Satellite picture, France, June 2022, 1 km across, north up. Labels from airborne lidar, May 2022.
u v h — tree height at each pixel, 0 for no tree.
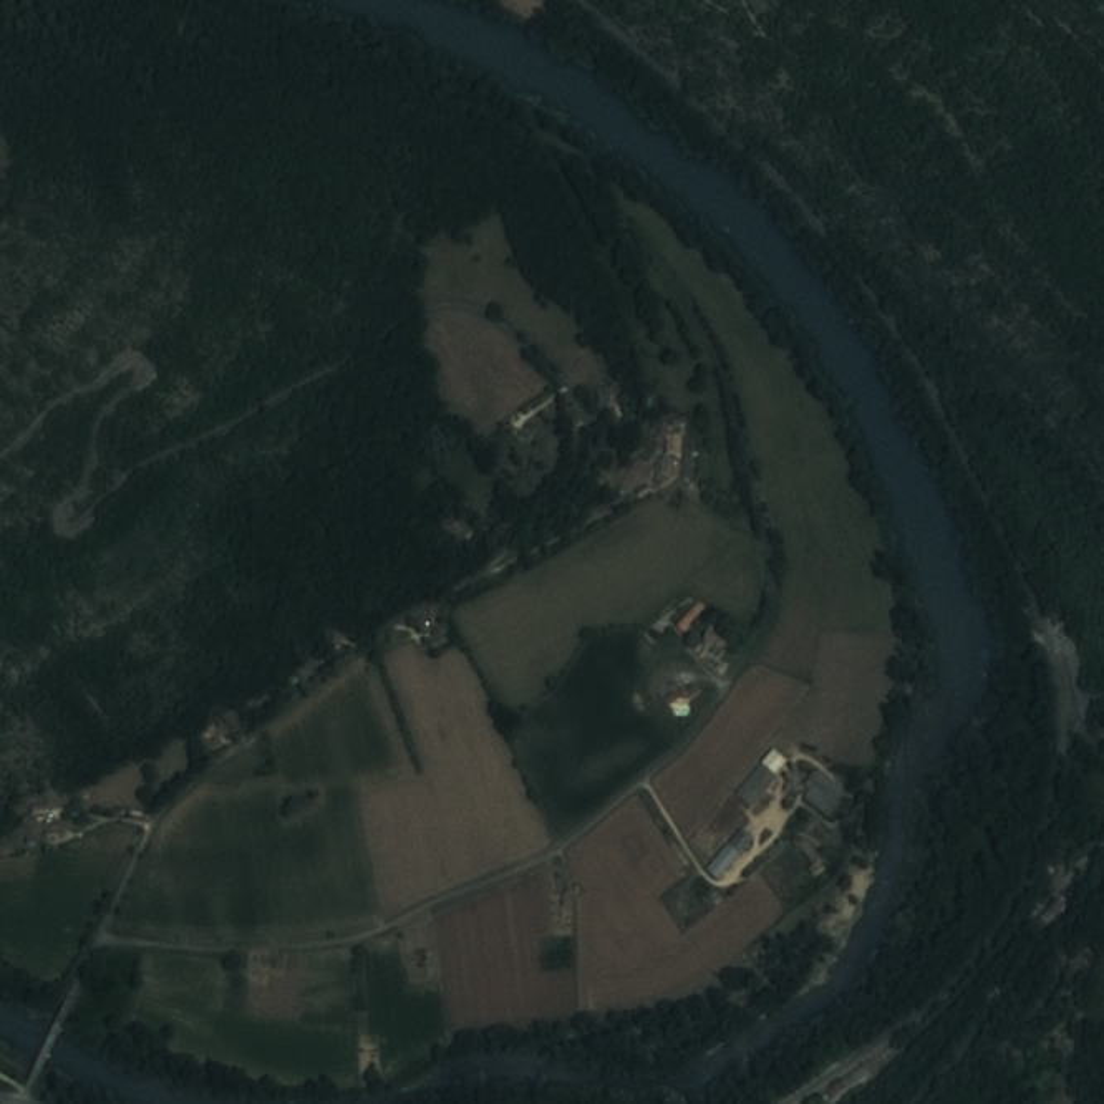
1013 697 10
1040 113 8
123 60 18
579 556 0
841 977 0
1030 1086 9
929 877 14
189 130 11
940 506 0
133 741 10
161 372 8
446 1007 0
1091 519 6
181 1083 25
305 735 0
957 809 40
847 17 6
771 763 0
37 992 8
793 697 0
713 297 0
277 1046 0
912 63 8
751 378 0
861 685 0
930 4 11
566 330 0
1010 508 10
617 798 0
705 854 0
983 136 7
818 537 0
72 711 11
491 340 0
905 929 17
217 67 15
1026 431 15
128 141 9
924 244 6
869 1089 8
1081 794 15
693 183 0
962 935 21
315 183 13
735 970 15
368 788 0
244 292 9
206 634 7
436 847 0
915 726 0
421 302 13
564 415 9
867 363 0
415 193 13
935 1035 12
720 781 0
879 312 11
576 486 12
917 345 16
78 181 6
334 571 10
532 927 0
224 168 11
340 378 13
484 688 7
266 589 6
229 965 12
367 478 18
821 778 0
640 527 0
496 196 16
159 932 0
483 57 0
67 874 0
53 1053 0
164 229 6
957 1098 9
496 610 0
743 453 11
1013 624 22
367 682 0
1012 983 14
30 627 8
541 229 19
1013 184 9
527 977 0
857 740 0
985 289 9
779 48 8
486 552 15
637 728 0
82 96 9
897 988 23
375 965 0
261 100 16
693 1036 10
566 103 0
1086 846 11
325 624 17
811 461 0
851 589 0
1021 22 9
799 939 13
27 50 12
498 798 0
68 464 5
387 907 0
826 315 0
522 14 0
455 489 13
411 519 15
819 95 10
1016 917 16
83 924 0
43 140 10
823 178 9
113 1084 0
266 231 9
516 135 23
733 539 0
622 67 17
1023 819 22
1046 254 8
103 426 8
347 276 9
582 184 24
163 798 17
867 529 0
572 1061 18
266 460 9
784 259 0
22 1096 0
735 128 11
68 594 8
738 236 0
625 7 8
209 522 13
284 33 22
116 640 8
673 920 0
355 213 10
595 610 0
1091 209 12
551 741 0
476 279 0
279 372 8
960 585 0
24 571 9
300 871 0
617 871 0
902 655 26
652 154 0
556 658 0
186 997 0
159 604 6
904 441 0
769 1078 18
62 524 0
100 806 7
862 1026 20
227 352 6
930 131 8
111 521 13
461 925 0
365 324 10
